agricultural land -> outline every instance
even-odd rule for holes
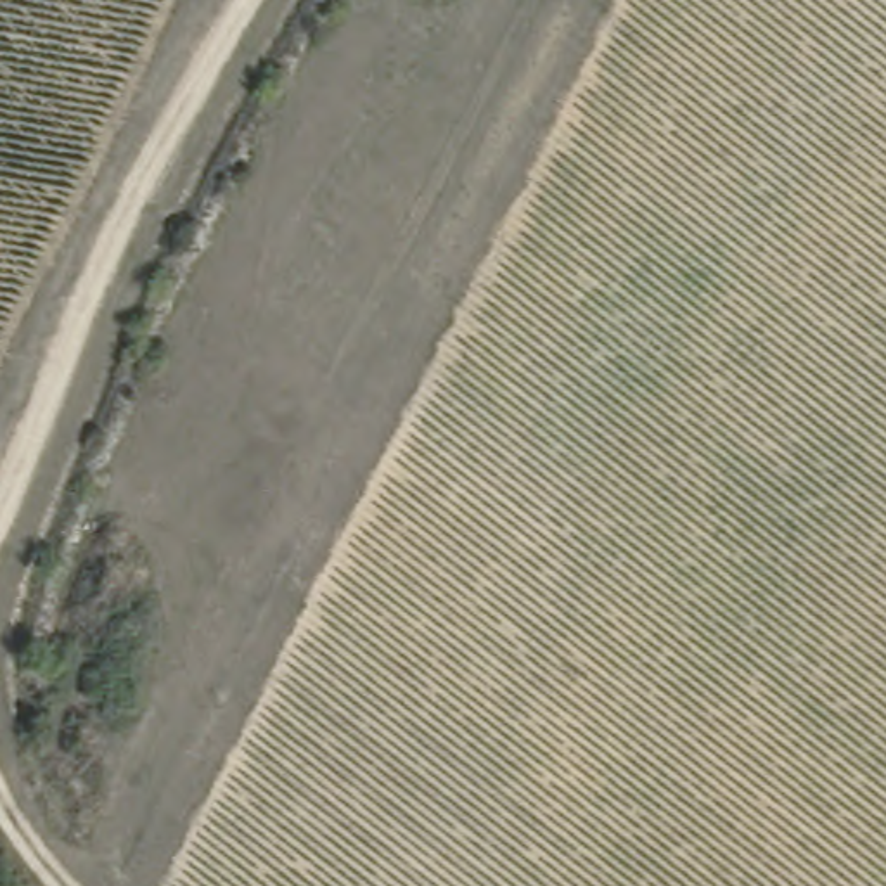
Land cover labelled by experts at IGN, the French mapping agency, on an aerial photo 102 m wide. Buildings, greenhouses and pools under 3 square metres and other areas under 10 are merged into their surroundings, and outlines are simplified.
[[[90,460],[90,485],[83,505],[93,519],[100,512],[114,519],[111,543],[118,564],[104,575],[104,585],[132,595],[138,588],[152,588],[156,606],[149,613],[166,626],[166,637],[159,640],[159,658],[170,661],[170,675],[152,682],[149,689],[135,689],[142,720],[128,730],[128,741],[104,761],[107,793],[97,806],[100,824],[93,848],[52,848],[55,858],[83,886],[163,886],[194,813],[208,799],[228,751],[235,748],[277,665],[287,633],[294,630],[305,609],[311,581],[325,568],[339,530],[353,516],[374,467],[381,464],[395,429],[401,426],[401,412],[419,391],[440,339],[453,325],[457,305],[464,301],[481,260],[491,249],[495,228],[526,187],[526,173],[547,132],[557,121],[564,93],[578,80],[585,55],[592,52],[595,31],[606,21],[613,0],[350,0],[343,28],[325,45],[308,45],[308,35],[301,35],[294,38],[294,52],[280,66],[280,76],[260,87],[263,104],[256,107],[253,125],[239,132],[239,159],[246,163],[249,177],[225,183],[225,190],[201,215],[190,246],[177,253],[173,266],[163,266],[152,280],[145,329],[163,339],[163,346],[173,353],[173,363],[149,388],[152,398],[135,395],[118,401],[118,415],[107,426],[97,457]]]

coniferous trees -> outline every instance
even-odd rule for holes
[[[21,862],[21,855],[10,844],[0,848],[0,886],[42,886],[42,879]]]

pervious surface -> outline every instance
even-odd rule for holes
[[[138,159],[132,163],[121,183],[111,215],[104,218],[93,239],[87,266],[62,308],[59,332],[48,343],[31,405],[21,415],[7,457],[0,464],[0,547],[31,485],[45,440],[55,426],[59,405],[66,398],[66,388],[73,381],[76,360],[83,353],[87,332],[138,225],[138,215],[152,197],[156,183],[163,180],[187,128],[204,107],[222,66],[235,52],[246,24],[253,21],[263,0],[228,0],[222,17],[211,24],[208,38],[197,45],[183,80],[177,83],[166,111],[152,125]]]
[[[42,886],[83,886],[55,858],[52,848],[14,803],[10,786],[0,772],[0,848],[10,844],[21,855],[21,862],[42,879]]]

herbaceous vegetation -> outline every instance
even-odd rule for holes
[[[111,215],[121,183],[132,163],[138,159],[152,125],[166,111],[177,83],[183,80],[197,45],[208,38],[211,24],[222,17],[228,0],[156,0],[142,45],[132,55],[125,80],[114,87],[111,107],[104,111],[93,132],[93,149],[87,163],[76,170],[73,187],[45,187],[45,194],[59,197],[62,208],[52,218],[52,228],[45,232],[31,260],[28,280],[21,284],[7,318],[0,322],[0,464],[7,457],[21,415],[31,405],[48,343],[59,332],[62,308],[87,266],[93,239],[104,218]]]
[[[138,225],[87,332],[83,353],[76,360],[73,381],[66,388],[66,398],[59,405],[55,426],[45,440],[31,485],[0,547],[0,772],[10,786],[14,803],[52,848],[93,848],[100,824],[97,806],[107,793],[104,761],[128,741],[128,730],[104,734],[97,727],[83,727],[80,741],[69,751],[52,744],[45,758],[31,758],[28,748],[14,741],[14,654],[28,651],[31,644],[31,626],[21,626],[21,609],[31,585],[31,568],[21,564],[17,550],[24,540],[42,540],[55,519],[66,481],[76,464],[80,426],[93,415],[97,398],[104,391],[111,346],[118,336],[114,311],[135,305],[138,284],[132,270],[152,260],[163,222],[190,201],[225,121],[242,100],[246,66],[256,66],[263,55],[270,55],[280,66],[294,52],[294,38],[301,35],[308,35],[308,45],[325,45],[343,28],[350,0],[263,0],[253,21],[246,24],[235,52],[222,66],[204,107],[187,128],[163,180],[156,183],[152,197],[138,215]]]

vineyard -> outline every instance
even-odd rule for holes
[[[886,886],[886,0],[613,0],[606,21],[595,31],[592,52],[585,55],[578,80],[564,93],[557,121],[547,132],[526,173],[526,187],[495,228],[491,249],[481,260],[464,301],[457,305],[453,325],[440,339],[419,391],[401,412],[401,426],[395,429],[381,464],[374,467],[353,516],[339,530],[325,568],[311,581],[305,609],[294,630],[287,633],[277,665],[235,748],[228,751],[208,799],[194,813],[163,886]]]
[[[45,187],[73,187],[76,170],[87,163],[93,149],[93,132],[104,111],[111,107],[114,87],[125,80],[132,55],[142,45],[156,0],[0,0],[0,322],[7,318],[21,284],[28,280],[31,260],[45,232],[52,228],[52,218],[62,208],[59,197],[45,194]]]

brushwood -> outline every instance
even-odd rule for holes
[[[111,543],[114,519],[100,512],[93,519],[83,505],[90,485],[90,460],[97,457],[107,426],[118,415],[118,401],[135,395],[152,398],[149,388],[173,363],[173,353],[163,346],[163,339],[145,329],[152,280],[163,266],[173,266],[177,253],[190,246],[201,215],[225,190],[225,183],[249,177],[246,163],[239,159],[239,132],[253,125],[256,107],[263,104],[260,87],[280,76],[280,66],[270,55],[263,55],[256,66],[246,66],[242,100],[225,121],[190,201],[163,222],[152,260],[132,270],[138,284],[135,305],[114,311],[118,336],[111,346],[104,391],[97,398],[93,415],[80,426],[76,464],[66,481],[55,519],[42,540],[24,540],[17,550],[21,564],[31,568],[31,585],[21,609],[21,626],[31,626],[31,644],[28,651],[14,654],[14,741],[28,748],[31,758],[45,758],[52,744],[69,751],[80,741],[83,727],[97,727],[104,734],[128,730],[142,720],[135,689],[149,689],[152,682],[170,675],[170,661],[159,658],[159,640],[166,637],[166,626],[149,613],[156,606],[152,588],[138,588],[132,595],[104,585],[104,575],[118,564]]]

